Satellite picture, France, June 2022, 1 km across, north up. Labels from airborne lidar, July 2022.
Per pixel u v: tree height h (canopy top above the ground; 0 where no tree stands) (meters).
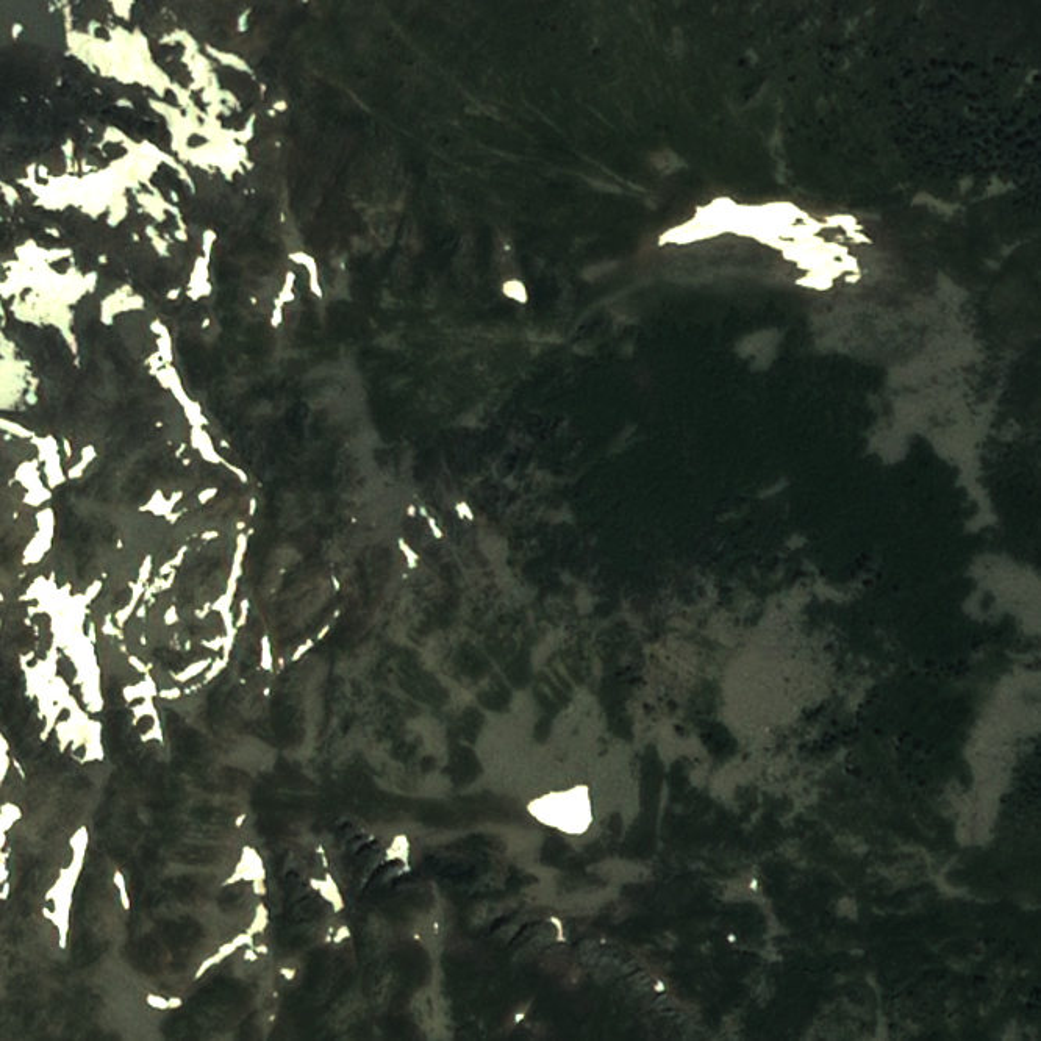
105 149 0
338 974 0
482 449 6
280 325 0
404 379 0
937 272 0
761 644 0
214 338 0
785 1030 0
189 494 0
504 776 0
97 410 0
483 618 0
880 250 0
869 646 5
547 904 0
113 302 0
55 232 0
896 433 0
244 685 0
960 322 0
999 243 0
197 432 0
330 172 0
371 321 0
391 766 0
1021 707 0
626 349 0
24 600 0
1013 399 0
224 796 0
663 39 0
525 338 0
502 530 0
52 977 0
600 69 0
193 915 0
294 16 0
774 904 0
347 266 0
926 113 9
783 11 0
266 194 0
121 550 0
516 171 0
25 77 0
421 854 0
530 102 0
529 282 0
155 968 0
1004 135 20
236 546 0
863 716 12
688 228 0
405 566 0
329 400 0
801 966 6
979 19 0
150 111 0
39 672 0
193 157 0
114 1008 0
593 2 0
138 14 0
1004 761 0
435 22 0
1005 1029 0
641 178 0
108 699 0
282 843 0
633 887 0
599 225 0
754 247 0
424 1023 0
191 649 0
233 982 0
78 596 0
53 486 0
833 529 5
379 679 0
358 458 0
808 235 0
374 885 0
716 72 0
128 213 0
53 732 0
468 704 0
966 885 0
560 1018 0
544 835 0
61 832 0
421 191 0
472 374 0
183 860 0
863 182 0
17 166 0
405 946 0
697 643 0
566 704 0
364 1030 0
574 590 0
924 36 0
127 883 0
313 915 0
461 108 0
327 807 0
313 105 0
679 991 0
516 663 0
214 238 0
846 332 0
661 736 0
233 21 0
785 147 0
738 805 0
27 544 0
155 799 0
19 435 0
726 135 0
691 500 7
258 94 0
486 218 0
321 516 0
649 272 0
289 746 0
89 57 0
